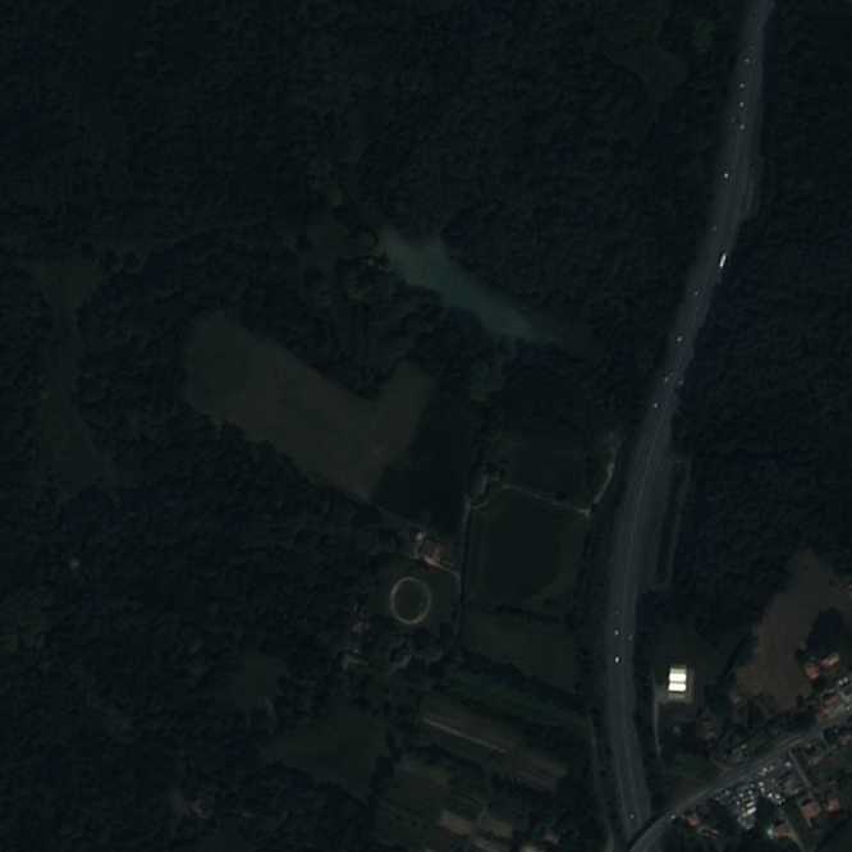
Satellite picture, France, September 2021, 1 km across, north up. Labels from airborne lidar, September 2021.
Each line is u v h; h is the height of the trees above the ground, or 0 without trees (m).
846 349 20
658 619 23
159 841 26
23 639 23
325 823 28
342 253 0
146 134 10
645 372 16
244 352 0
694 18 31
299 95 24
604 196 27
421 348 15
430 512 0
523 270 30
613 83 23
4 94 18
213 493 29
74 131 12
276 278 14
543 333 0
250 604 31
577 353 0
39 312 11
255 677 0
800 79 26
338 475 0
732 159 0
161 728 12
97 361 17
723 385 27
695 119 23
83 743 33
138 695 26
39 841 28
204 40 16
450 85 24
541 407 13
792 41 14
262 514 34
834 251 22
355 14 24
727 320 21
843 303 14
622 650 0
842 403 22
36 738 21
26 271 10
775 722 6
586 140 17
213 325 0
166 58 20
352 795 0
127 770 29
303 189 15
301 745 0
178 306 25
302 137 21
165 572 28
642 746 6
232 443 27
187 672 25
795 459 16
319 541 29
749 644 13
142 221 22
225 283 20
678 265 12
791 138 25
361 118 25
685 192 23
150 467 23
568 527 0
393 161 22
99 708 21
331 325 7
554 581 0
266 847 7
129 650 25
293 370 0
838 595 0
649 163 18
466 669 32
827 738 9
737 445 17
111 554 28
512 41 27
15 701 20
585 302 30
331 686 17
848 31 27
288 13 16
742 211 0
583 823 13
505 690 39
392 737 0
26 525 22
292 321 23
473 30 33
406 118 20
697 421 18
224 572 29
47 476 11
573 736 24
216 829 16
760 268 20
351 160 16
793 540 26
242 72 12
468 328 25
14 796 18
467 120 27
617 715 0
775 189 16
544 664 0
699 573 32
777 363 30
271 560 27
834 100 32
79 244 21
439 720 0
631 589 0
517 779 0
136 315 22
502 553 0
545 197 18
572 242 32
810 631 0
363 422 0
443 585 0
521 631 0
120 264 16
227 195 17
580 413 6
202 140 14
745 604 23
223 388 0
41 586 31
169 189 13
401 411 0
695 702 0
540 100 26
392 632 23
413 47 20
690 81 10
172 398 16
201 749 21
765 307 27
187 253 17
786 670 0
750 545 26
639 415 13
